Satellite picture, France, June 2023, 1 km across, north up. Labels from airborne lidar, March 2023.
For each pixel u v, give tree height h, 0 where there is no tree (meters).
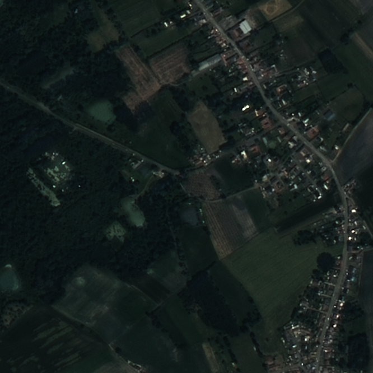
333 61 24
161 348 0
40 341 0
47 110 0
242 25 0
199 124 0
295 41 0
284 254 0
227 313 32
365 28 0
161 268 0
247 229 0
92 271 0
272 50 0
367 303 0
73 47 20
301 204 0
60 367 0
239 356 0
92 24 20
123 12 0
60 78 0
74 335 0
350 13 0
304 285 0
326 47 0
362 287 0
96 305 0
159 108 0
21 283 0
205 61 0
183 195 7
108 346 0
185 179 8
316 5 0
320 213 0
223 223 0
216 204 0
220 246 0
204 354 0
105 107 0
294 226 0
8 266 0
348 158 0
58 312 0
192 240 0
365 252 0
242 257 0
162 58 0
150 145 0
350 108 0
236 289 0
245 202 0
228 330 31
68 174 0
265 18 0
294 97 0
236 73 0
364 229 0
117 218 13
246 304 0
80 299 0
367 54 0
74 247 9
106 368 0
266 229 0
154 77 0
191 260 0
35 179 0
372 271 0
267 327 0
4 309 10
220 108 17
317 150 0
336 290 0
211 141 0
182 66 0
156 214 19
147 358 0
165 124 0
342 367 11
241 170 0
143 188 0
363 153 0
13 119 9
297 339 0
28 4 14
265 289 0
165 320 0
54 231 6
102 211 8
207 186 0
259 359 0
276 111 0
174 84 0
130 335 0
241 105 8
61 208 7
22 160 18
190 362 0
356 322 0
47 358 0
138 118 33
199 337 0
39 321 0
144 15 0
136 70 0
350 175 0
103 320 0
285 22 0
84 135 6
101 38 0
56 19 0
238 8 0
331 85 0
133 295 0
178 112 0
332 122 0
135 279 0
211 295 31
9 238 17
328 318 0
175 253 0
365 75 0
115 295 0
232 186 0
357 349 25
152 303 0
